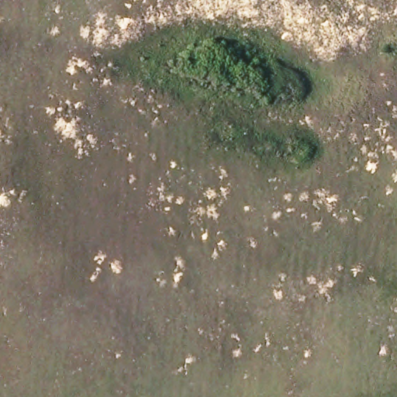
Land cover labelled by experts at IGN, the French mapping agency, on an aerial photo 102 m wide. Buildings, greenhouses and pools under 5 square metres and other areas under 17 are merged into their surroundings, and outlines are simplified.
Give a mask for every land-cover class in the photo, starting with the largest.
<instances>
[{"label":"herbaceous vegetation","instance_id":"1","mask_svg":"<svg viewBox=\"0 0 397 397\"><path fill-rule=\"evenodd\" d=\"M127 0H0V397H397V16L388 22L374 20L372 28L366 33L368 50L354 54L349 42L337 51V56L333 60H323L319 57L316 60L310 59L307 40L296 45L288 40H282L270 26L256 28L261 36L259 47L264 48L265 53H273L285 62H292L295 67L304 68L312 81V91L304 104V112L312 119L309 129L318 136L323 155L316 158L309 169L296 172V178H290L284 171H279L276 177L271 178L259 174V158L242 147H236V150H230L226 146L209 147L205 124L211 123L214 112H208V115L202 118L198 109L186 113L183 105L171 99L169 93L155 95V90L143 87V84H119L110 81L112 60L116 56L113 50L118 45L112 50H105L102 45L96 47L95 43H88L81 36V28H85L91 17L96 19L98 12L109 14L113 6H116L121 16L126 9ZM67 99L81 102L82 107L74 109L73 116L79 118L84 126H90L91 135L95 136L96 140L95 143H91L93 147L88 150V155H82L81 158L78 157V150L74 149V141L68 136L64 141H60L64 135L54 129L56 124L48 118L47 107H64ZM313 6L327 5L335 16H341V8L346 5L347 0H309Z\"/></svg>","mask_w":397,"mask_h":397},{"label":"brushwood","instance_id":"2","mask_svg":"<svg viewBox=\"0 0 397 397\"><path fill-rule=\"evenodd\" d=\"M261 36L256 28H242L239 25L228 28L226 25H219L214 19L188 17L183 22L160 25L152 33L143 34L138 36V39L127 40L123 45H118L113 50L116 56L112 60L110 81L119 84H143V87L155 90V95L169 93L171 99L183 105L186 113L198 109L202 118L208 115V112H214L211 123L205 124L209 147L226 146L230 150H236V147H242L259 158V174L271 178L276 177L279 171H284L290 178H296V172L309 169L316 158L323 155L318 136L309 129L312 119L304 112V104L312 91V81L304 68L295 67L292 62H285L273 53H265L264 48L259 47Z\"/></svg>","mask_w":397,"mask_h":397},{"label":"bare soil","instance_id":"3","mask_svg":"<svg viewBox=\"0 0 397 397\"><path fill-rule=\"evenodd\" d=\"M397 16V0H347L346 5L341 8V16H335L327 5L313 6L309 0H127L126 9L121 16L116 6H113L109 14L98 12L96 19L91 17L85 28H81V36L88 43H95L96 47L102 45L105 50H112L118 45H123L127 40L138 39V36L143 34L152 33L160 25L183 22L188 17L214 19L219 25H226L228 28L239 25L242 28H256L270 26L282 40H288L296 45L307 40L310 59L316 60L319 57L323 60H333L337 56V51L349 42L354 54L368 50L366 33L372 28L374 20L388 22ZM82 107L81 102L67 99L64 107H47L48 118L56 124L54 129L64 135L60 141H64L68 136L74 141V149L78 150V157L81 158L82 155H88V150L93 147L91 143H95L96 140L95 136L91 135L90 126H84L79 118L73 116L74 109Z\"/></svg>","mask_w":397,"mask_h":397}]
</instances>
